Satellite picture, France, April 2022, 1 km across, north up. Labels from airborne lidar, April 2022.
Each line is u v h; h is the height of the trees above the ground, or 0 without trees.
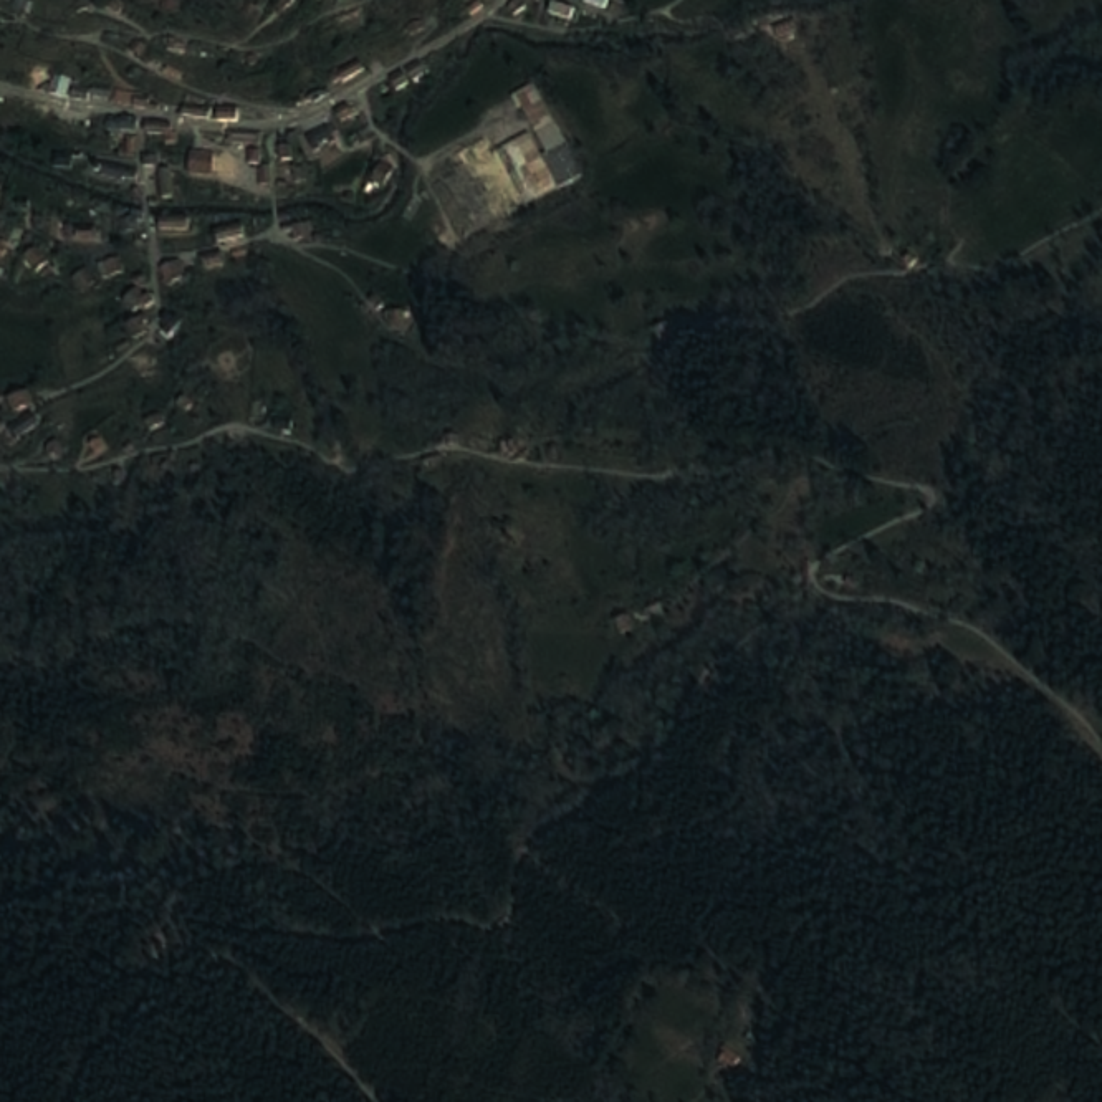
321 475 13
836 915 19
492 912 18
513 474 0
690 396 29
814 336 8
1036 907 27
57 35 9
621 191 0
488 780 17
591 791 9
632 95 0
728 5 0
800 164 26
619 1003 27
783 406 31
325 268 0
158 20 13
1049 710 26
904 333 0
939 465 0
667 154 0
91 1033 20
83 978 27
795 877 19
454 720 0
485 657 0
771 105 25
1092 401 7
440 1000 12
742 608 9
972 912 29
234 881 11
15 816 13
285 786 10
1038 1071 21
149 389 0
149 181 0
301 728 6
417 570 22
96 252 0
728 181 0
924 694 8
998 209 0
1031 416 24
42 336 0
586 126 0
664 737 16
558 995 13
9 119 0
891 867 11
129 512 12
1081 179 0
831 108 0
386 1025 6
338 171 0
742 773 18
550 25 0
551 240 0
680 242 0
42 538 21
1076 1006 30
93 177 0
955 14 0
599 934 11
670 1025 0
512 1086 7
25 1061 23
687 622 0
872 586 6
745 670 20
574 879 18
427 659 14
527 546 0
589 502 0
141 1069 19
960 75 0
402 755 7
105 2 19
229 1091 17
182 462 0
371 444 0
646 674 13
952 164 14
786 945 21
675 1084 0
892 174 0
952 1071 18
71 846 30
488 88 0
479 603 0
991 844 28
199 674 18
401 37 0
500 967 12
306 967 18
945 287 13
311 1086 22
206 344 0
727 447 9
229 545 12
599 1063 22
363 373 0
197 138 0
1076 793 22
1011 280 23
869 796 8
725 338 32
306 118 0
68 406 0
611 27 7
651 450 7
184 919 17
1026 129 0
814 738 20
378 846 17
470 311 34
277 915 19
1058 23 0
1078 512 15
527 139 0
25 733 12
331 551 6
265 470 12
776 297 19
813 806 22
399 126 14
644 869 12
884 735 22
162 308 0
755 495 20
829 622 12
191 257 0
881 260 6
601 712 11
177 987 13
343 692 7
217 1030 20
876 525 0
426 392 12
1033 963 26
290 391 0
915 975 22
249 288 0
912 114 0
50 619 21
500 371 21
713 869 19
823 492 16
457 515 19
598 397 13
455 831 17
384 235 0
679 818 23
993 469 25
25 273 0
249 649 6
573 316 0
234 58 6
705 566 11
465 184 0
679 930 20
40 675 19
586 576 0
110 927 27
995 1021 23
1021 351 12
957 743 20
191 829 20
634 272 0
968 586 8
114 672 6
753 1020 0
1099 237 0
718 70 0
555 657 0
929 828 11
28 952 28
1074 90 31
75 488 0
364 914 16
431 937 17
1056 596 27
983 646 0
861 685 13
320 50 7
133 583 22
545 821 14
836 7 16
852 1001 19
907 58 0
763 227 28
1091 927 22
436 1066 6
